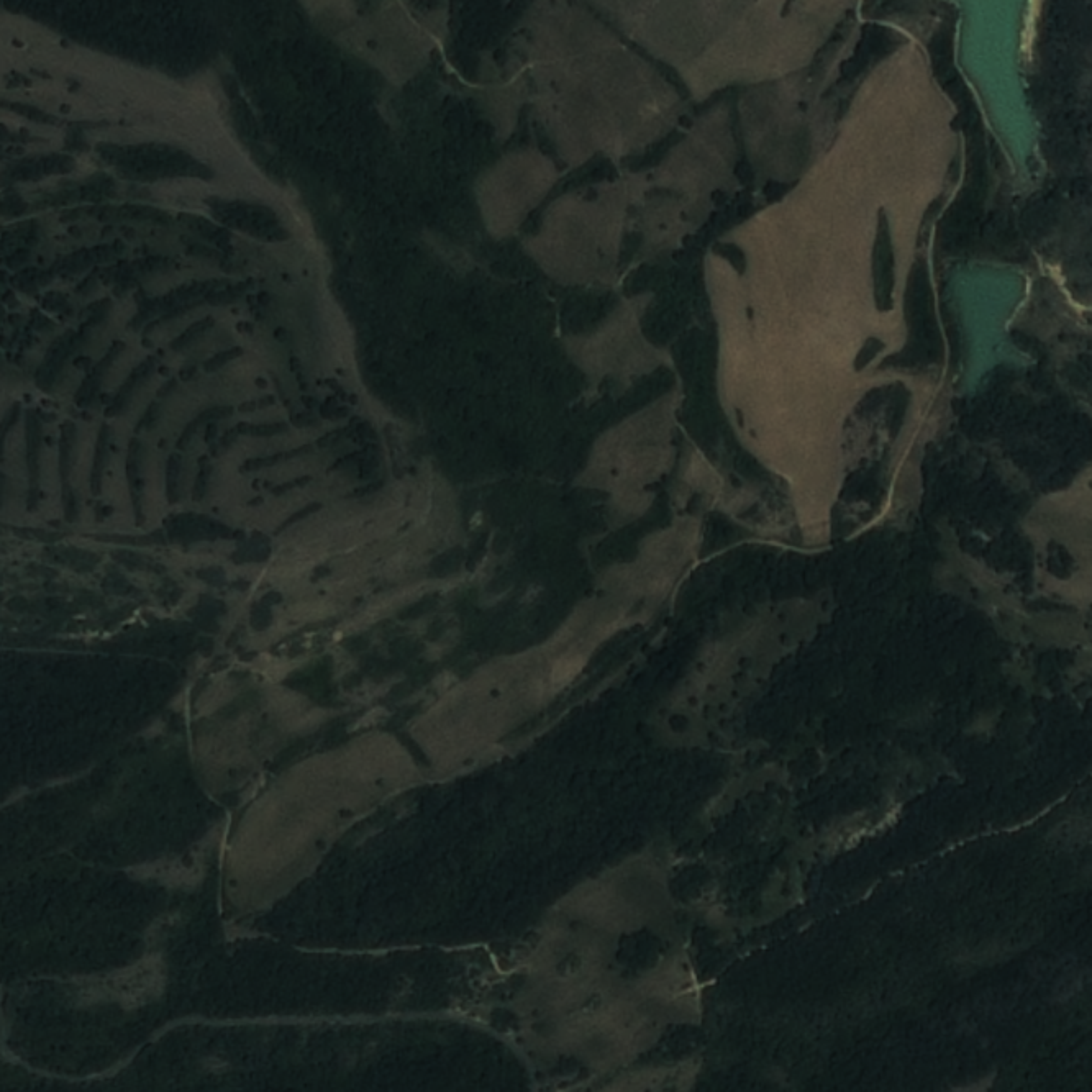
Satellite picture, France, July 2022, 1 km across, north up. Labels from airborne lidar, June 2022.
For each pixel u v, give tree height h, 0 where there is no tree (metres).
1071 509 0
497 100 0
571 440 7
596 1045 0
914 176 0
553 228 0
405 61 0
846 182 0
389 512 0
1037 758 6
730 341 0
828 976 11
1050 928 8
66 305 6
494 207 0
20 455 0
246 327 7
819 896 9
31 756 8
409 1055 13
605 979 0
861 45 8
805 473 0
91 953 9
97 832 7
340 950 6
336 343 0
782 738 7
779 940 8
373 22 0
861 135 0
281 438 0
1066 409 7
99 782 6
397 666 0
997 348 7
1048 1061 10
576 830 10
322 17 0
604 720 8
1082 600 0
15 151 8
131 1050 8
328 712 0
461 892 8
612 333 0
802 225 0
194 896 6
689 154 0
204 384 0
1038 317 0
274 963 10
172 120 0
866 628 8
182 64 7
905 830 10
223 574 0
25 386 0
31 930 12
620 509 0
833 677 10
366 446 7
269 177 0
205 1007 10
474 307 7
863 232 0
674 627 11
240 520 0
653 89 0
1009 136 0
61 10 8
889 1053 11
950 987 8
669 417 0
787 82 0
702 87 0
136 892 7
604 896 0
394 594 0
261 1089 12
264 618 0
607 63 0
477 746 0
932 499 12
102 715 7
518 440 8
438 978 7
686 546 0
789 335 0
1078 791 6
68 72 0
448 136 7
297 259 0
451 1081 11
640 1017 0
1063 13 7
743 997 6
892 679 14
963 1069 8
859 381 0
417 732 0
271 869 0
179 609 0
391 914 10
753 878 11
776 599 10
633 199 0
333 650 0
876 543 15
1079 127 7
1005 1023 6
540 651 0
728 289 0
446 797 9
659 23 0
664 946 6
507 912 9
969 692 7
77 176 0
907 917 11
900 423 8
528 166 0
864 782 6
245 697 0
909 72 0
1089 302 0
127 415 0
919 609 11
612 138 0
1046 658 9
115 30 8
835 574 9
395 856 6
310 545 0
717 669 0
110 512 7
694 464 0
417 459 0
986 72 0
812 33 0
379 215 9
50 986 9
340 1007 7
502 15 14
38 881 14
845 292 0
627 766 8
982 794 8
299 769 0
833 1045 8
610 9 0
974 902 14
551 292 6
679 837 10
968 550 11
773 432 0
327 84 9
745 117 0
